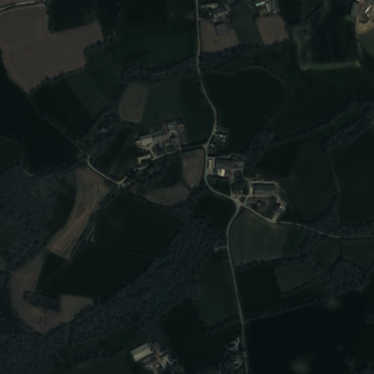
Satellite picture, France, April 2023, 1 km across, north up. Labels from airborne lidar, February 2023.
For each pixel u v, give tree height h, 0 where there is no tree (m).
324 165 0
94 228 0
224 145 0
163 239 0
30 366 15
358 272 13
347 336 0
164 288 10
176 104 0
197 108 0
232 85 0
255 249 0
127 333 0
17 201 12
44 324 0
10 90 0
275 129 0
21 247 8
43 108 0
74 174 13
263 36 0
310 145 0
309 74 0
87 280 0
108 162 0
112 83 0
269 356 0
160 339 17
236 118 0
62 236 0
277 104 0
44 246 9
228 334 0
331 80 0
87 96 0
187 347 0
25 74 0
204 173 0
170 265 19
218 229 0
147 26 0
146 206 0
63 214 0
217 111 10
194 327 0
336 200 15
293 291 10
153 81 20
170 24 0
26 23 0
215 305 0
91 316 14
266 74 0
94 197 0
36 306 11
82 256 0
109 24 0
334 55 0
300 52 0
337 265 12
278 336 0
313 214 0
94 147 13
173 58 0
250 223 0
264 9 0
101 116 11
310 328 0
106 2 0
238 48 12
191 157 0
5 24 0
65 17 0
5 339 12
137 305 13
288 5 0
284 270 0
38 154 0
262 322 0
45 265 0
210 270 0
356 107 8
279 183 0
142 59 0
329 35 0
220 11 0
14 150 0
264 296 0
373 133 0
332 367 0
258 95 0
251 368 0
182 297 16
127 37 0
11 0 0
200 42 0
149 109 0
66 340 7
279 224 13
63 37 0
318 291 0
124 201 0
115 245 0
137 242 0
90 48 8
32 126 0
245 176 10
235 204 0
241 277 0
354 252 0
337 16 0
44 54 0
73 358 0
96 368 0
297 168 0
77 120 0
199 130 0
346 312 0
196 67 13
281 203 0
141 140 0
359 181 0
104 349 0
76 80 0
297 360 0
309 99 0
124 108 0
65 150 0
